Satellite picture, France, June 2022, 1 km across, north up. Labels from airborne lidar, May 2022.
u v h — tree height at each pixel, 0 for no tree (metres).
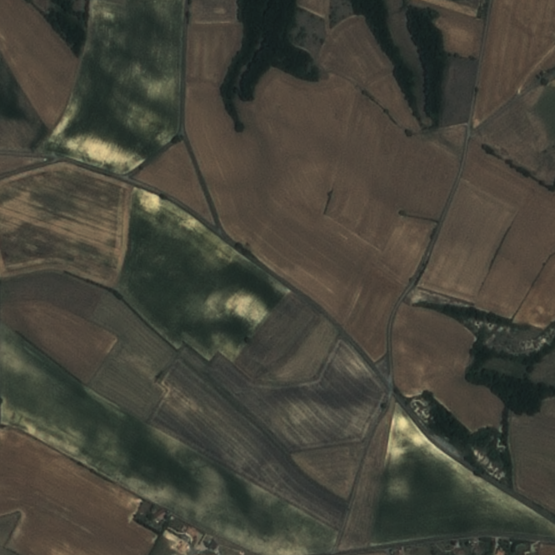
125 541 0
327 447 0
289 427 0
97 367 0
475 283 0
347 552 0
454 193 0
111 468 0
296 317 0
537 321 0
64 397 0
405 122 0
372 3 17
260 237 0
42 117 0
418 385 0
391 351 0
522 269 0
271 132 0
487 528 0
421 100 0
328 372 0
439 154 0
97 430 0
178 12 0
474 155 0
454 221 0
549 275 0
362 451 0
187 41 0
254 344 0
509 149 0
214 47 0
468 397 0
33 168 0
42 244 0
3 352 0
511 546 6
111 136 0
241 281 0
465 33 0
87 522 0
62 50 0
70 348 0
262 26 16
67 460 0
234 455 0
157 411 0
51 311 0
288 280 0
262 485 0
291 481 0
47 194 0
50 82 0
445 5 0
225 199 0
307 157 0
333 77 0
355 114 0
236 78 9
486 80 0
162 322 0
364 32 0
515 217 0
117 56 0
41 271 0
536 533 0
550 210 0
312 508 0
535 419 0
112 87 0
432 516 0
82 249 0
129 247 0
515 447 0
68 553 0
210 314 0
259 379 0
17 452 0
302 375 0
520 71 0
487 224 0
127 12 0
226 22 0
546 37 0
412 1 0
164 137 0
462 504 0
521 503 0
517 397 14
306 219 0
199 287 0
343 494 0
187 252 0
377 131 0
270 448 0
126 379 0
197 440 0
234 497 0
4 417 0
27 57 0
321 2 0
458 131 0
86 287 0
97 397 0
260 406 0
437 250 0
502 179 0
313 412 0
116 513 0
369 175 0
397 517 0
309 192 0
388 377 0
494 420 0
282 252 0
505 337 0
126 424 0
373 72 0
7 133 0
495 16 0
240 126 14
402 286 0
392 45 9
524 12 0
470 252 0
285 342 0
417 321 0
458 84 0
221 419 0
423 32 11
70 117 0
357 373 0
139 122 0
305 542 0
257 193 0
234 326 0
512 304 0
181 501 0
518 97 0
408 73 19
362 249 0
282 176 0
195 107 0
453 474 0
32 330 0
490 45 0
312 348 0
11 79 0
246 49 8
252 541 0
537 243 0
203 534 0
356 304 0
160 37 0
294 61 9
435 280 0
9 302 0
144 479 0
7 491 0
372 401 0
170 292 0
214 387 0
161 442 0
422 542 0
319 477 0
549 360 0
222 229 0
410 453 0
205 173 0
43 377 0
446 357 0
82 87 0
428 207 0
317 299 0
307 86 0
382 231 0
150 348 0
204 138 0
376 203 0
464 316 7
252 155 0
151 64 0
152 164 0
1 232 0
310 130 0
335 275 0
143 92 0
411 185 0
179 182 0
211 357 0
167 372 0
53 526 0
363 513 0
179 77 0
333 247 0
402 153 0
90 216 0
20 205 0
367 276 0
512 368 0
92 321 0
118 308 0
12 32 0
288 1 13
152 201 0
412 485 0
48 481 0
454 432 8
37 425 0
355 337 0
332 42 0
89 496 0
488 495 0
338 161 0
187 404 0
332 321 0
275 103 0
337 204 0
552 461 0
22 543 0
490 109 0
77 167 0
